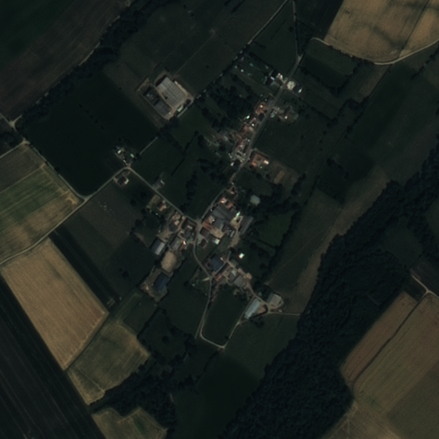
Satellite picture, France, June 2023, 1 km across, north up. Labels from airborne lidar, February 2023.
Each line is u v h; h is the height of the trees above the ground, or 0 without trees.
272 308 0
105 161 0
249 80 0
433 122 0
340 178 0
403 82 0
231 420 0
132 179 0
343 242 20
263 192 0
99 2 0
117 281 0
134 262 0
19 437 0
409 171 0
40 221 0
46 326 0
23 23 0
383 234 19
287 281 0
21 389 0
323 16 0
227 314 0
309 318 17
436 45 0
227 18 0
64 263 0
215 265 0
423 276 0
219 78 7
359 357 0
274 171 0
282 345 0
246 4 0
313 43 0
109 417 0
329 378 21
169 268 0
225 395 0
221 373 0
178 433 0
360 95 0
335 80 0
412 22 0
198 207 0
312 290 0
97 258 0
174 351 0
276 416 18
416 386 0
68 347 0
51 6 0
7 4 0
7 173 0
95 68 21
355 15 0
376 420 0
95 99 0
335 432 0
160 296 0
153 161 0
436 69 0
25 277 0
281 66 0
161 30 0
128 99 0
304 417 19
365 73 0
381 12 0
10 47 0
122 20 18
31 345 0
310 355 19
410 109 0
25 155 0
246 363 0
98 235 0
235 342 0
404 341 0
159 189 0
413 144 0
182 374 0
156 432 0
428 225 13
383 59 0
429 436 0
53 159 0
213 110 0
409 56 0
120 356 0
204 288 0
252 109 16
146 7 18
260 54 0
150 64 0
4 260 0
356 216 0
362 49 0
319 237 0
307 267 0
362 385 0
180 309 0
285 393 12
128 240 0
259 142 0
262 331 0
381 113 0
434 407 0
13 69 0
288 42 0
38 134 0
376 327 0
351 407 0
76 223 0
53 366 0
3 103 0
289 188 0
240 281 0
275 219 0
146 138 0
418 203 18
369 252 12
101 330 0
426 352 0
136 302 0
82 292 0
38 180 0
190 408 0
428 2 0
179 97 0
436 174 19
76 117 0
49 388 0
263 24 0
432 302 0
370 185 0
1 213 0
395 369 0
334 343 15
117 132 0
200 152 0
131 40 0
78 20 0
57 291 0
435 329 0
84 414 0
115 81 0
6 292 0
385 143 0
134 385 23
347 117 0
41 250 0
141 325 0
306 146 0
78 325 0
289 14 0
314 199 0
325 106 0
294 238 0
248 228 9
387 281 12
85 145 0
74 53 0
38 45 0
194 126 0
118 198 0
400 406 0
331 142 0
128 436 0
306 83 0
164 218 10
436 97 0
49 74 0
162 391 31
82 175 0
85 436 0
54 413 0
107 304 0
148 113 0
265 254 16
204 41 0
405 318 0
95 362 0
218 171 10
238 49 0
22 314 0
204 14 0
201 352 0
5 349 0
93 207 0
